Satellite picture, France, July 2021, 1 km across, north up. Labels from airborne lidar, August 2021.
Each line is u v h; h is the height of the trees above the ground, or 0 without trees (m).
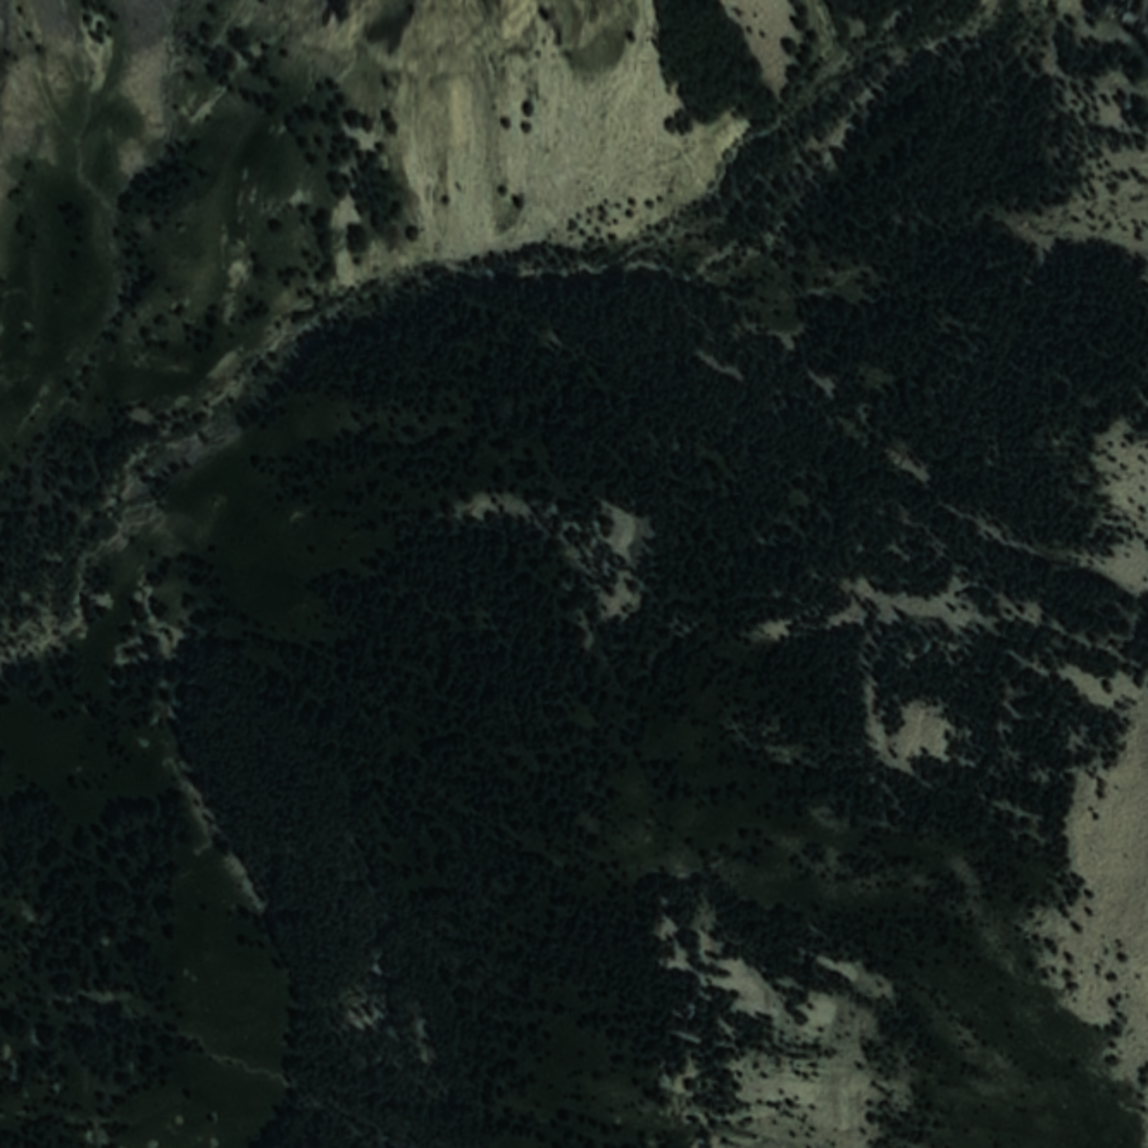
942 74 17
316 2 0
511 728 14
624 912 7
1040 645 14
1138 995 0
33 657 6
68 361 0
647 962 15
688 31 22
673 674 14
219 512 0
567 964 10
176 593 0
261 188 0
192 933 0
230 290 0
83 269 0
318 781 24
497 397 14
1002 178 19
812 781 11
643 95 0
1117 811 0
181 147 11
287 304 0
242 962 0
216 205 0
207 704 31
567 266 12
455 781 16
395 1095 21
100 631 0
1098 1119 0
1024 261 24
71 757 0
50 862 20
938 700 7
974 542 6
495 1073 16
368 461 11
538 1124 7
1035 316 20
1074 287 20
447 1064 16
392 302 10
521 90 0
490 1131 20
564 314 23
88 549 7
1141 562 0
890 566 12
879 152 0
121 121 0
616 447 16
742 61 27
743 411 20
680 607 10
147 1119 0
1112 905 0
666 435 18
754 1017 9
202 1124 0
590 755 13
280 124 0
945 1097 0
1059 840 10
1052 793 11
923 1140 6
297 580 0
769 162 19
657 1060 8
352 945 25
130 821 24
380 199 17
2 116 0
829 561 26
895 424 10
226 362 0
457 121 0
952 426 11
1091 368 20
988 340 16
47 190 0
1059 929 0
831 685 8
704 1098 8
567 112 0
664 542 10
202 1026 0
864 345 21
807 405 22
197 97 0
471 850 17
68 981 21
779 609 13
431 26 0
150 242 0
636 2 0
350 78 0
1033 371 18
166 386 0
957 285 22
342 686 20
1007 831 7
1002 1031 0
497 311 18
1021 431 8
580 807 9
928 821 11
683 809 0
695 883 9
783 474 18
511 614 12
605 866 11
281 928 25
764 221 24
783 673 15
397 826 15
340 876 21
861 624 9
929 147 23
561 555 10
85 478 21
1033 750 13
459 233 0
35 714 0
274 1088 0
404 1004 21
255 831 19
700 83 26
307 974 21
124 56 0
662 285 19
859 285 6
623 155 0
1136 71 16
